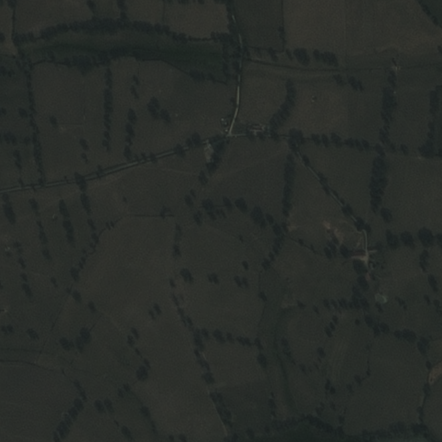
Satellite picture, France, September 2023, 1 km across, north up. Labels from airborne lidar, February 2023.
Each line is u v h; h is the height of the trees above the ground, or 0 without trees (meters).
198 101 0
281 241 12
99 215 0
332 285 0
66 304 0
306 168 0
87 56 0
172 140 0
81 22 0
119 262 0
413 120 0
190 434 0
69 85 0
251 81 0
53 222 0
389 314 0
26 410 0
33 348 0
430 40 0
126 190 0
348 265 0
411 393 0
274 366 0
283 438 0
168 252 0
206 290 0
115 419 0
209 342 0
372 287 0
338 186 0
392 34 0
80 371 0
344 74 0
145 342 0
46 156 0
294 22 0
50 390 0
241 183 0
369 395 0
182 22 0
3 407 0
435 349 0
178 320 0
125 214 0
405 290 0
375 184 20
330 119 0
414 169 0
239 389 0
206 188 0
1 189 0
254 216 17
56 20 0
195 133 0
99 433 0
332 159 0
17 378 0
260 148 0
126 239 0
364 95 0
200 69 0
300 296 0
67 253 0
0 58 0
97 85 0
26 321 0
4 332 13
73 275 17
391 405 0
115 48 0
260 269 0
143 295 0
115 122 0
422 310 0
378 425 0
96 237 15
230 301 0
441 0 0
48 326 0
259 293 0
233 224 0
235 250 0
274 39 0
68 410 0
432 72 0
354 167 0
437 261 0
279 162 0
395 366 0
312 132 0
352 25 0
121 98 0
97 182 0
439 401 0
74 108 0
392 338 0
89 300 0
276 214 0
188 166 0
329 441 0
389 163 0
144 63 0
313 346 0
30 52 0
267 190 0
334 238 17
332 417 0
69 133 0
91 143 0
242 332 0
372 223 0
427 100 0
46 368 0
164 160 0
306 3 0
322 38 0
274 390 0
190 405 0
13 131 0
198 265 0
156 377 0
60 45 0
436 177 0
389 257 0
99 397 0
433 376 0
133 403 0
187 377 0
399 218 0
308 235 0
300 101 0
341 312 17
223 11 0
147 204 0
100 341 0
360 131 0
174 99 0
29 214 0
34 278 0
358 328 0
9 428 0
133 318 0
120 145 0
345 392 0
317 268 0
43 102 0
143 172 0
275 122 17
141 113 0
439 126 0
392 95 20
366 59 0
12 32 7
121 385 0
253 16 0
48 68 0
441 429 0
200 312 0
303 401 0
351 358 0
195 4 0
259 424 0
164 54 0
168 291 0
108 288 0
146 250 0
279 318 0
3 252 0
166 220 0
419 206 0
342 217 0
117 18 0
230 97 0
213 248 0
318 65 0
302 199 0
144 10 0
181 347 0
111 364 0
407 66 0
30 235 0
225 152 0
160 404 0
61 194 0
